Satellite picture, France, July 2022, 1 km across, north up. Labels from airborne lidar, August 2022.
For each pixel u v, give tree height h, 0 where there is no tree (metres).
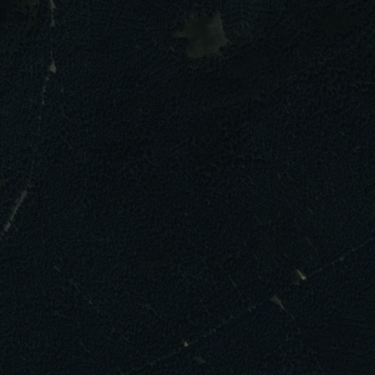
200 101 22
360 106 31
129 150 21
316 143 24
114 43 21
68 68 29
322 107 24
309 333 22
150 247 17
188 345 0
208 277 25
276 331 26
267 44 15
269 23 21
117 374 31
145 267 12
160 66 20
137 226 22
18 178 29
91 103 32
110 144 6
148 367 16
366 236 15
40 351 25
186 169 22
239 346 26
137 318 20
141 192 12
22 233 24
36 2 0
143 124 22
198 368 25
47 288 26
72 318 8
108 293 24
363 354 18
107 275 29
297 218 19
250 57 22
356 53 18
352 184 13
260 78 24
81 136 25
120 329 24
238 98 18
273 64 22
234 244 20
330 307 23
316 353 9
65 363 19
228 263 15
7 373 22
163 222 15
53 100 29
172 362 20
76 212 25
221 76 12
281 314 27
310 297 20
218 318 27
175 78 20
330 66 21
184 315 27
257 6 21
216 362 26
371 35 20
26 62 25
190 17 21
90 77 24
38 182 22
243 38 11
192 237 23
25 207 15
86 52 17
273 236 19
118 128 25
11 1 20
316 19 20
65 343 21
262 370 35
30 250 26
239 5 12
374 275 23
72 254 29
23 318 27
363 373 19
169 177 19
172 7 15
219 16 0
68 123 31
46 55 26
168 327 15
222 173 15
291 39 12
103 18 24
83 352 21
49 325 11
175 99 23
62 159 19
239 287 11
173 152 23
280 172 16
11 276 27
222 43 0
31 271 27
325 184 18
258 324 26
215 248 18
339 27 6
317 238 19
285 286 20
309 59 24
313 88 24
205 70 12
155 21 19
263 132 30
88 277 27
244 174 14
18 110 30
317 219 18
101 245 28
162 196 24
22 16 17
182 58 11
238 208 22
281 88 25
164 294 27
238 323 26
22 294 31
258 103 22
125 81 19
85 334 22
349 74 8
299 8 18
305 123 30
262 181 16
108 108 16
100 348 28
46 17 23
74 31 27
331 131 30
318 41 23
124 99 14
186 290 30
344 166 19
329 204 15
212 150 8
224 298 26
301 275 0
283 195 19
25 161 32
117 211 25
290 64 25
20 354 23
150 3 16
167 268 25
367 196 21
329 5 24
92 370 27
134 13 18
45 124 27
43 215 20
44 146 29
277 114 27
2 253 23
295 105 30
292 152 29
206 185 13
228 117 21
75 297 8
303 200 16
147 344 22
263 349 22
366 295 16
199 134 22
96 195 12
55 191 24
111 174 15
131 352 27
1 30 19
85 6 31
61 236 25
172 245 20
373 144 16
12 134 25
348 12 8
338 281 24
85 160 26
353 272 26
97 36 22
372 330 20
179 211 19
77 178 27
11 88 28
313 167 12
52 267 19
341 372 25
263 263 20
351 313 21
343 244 20
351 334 21
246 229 21
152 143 26
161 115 27
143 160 24
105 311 26
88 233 27
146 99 20
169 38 15
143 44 17
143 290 25
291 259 14
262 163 23
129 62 23
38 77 21
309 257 18
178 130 23
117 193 16
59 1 33
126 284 26
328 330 22
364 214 22
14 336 23
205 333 18
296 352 21
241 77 18
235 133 9
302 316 21
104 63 22
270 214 20
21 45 20
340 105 24
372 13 16
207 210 18
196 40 0
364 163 16
